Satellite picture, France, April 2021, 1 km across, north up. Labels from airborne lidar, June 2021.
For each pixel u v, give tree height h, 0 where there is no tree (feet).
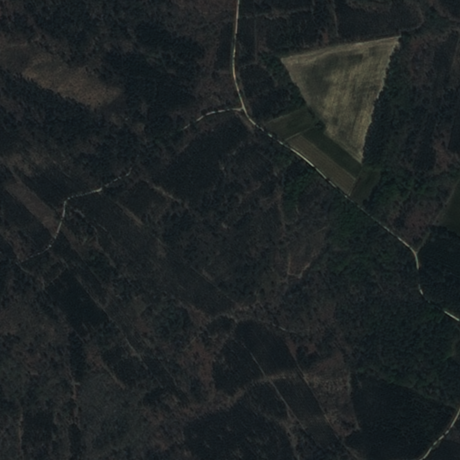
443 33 47
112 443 55
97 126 72
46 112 44
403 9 29
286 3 27
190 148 33
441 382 64
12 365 68
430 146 24
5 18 51
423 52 28
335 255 68
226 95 22
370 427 19
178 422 30
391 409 18
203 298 24
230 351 32
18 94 45
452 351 80
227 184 36
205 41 24
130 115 31
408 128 31
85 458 36
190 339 40
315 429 20
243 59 31
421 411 23
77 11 39
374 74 0
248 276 63
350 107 0
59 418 40
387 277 43
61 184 28
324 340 42
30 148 30
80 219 61
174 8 54
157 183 32
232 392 39
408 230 26
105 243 29
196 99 44
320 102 0
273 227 24
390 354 106
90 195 32
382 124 79
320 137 0
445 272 31
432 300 28
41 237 31
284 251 32
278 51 41
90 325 26
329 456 52
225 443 42
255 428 40
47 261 26
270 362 22
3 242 27
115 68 43
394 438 23
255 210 63
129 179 67
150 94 67
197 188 37
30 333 0
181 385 34
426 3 43
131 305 69
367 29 29
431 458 21
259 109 30
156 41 52
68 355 76
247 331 26
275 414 29
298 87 43
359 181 0
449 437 27
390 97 58
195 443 36
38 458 55
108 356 38
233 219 25
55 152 29
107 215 29
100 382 67
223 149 32
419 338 92
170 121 60
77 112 70
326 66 0
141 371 33
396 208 46
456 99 43
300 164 32
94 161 70
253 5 26
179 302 26
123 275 43
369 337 20
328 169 0
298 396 24
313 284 62
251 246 24
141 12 69
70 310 24
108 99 0
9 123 53
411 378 83
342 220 64
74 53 51
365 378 24
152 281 21
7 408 85
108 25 61
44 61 0
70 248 33
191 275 27
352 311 25
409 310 96
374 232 85
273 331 60
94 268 25
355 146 0
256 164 23
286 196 31
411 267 57
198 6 41
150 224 67
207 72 27
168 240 41
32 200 0
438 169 40
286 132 0
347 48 0
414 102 67
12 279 39
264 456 51
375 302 87
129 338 26
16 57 0
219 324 26
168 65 49
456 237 57
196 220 53
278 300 38
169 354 34
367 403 22
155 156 30
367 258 72
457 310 39
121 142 58
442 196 23
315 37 33
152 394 30
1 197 32
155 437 46
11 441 51
